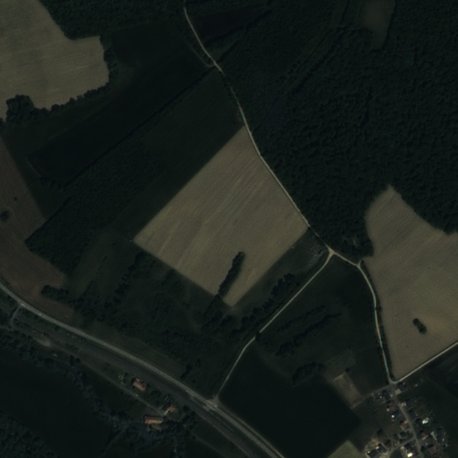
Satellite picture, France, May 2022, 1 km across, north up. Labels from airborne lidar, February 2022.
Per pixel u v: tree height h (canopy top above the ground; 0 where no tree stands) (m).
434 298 0
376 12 0
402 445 0
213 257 0
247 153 0
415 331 0
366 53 17
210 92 0
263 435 0
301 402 0
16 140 0
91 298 5
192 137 0
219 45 17
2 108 0
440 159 22
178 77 0
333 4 15
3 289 0
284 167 17
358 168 23
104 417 16
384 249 0
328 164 25
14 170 0
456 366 0
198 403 0
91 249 0
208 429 0
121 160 12
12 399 0
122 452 0
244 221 0
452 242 0
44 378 0
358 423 0
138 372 0
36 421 0
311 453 0
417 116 21
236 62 13
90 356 0
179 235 0
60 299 13
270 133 15
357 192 24
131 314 0
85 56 0
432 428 0
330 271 0
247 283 0
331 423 0
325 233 17
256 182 0
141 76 0
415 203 22
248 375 0
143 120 0
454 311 0
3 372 0
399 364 0
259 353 0
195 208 0
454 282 0
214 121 0
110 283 0
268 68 13
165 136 0
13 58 0
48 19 0
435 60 21
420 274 0
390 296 0
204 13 12
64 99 0
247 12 0
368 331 0
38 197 0
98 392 0
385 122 23
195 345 11
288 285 17
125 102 0
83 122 0
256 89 17
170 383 0
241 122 0
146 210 0
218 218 0
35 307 0
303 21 13
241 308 0
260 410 0
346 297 0
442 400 0
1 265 0
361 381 0
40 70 0
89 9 20
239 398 0
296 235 0
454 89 23
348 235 21
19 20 0
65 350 0
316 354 0
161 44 0
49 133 0
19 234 0
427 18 17
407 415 0
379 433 10
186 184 0
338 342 0
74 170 0
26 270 0
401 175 22
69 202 11
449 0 19
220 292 7
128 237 0
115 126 0
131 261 0
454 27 16
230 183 0
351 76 22
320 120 24
